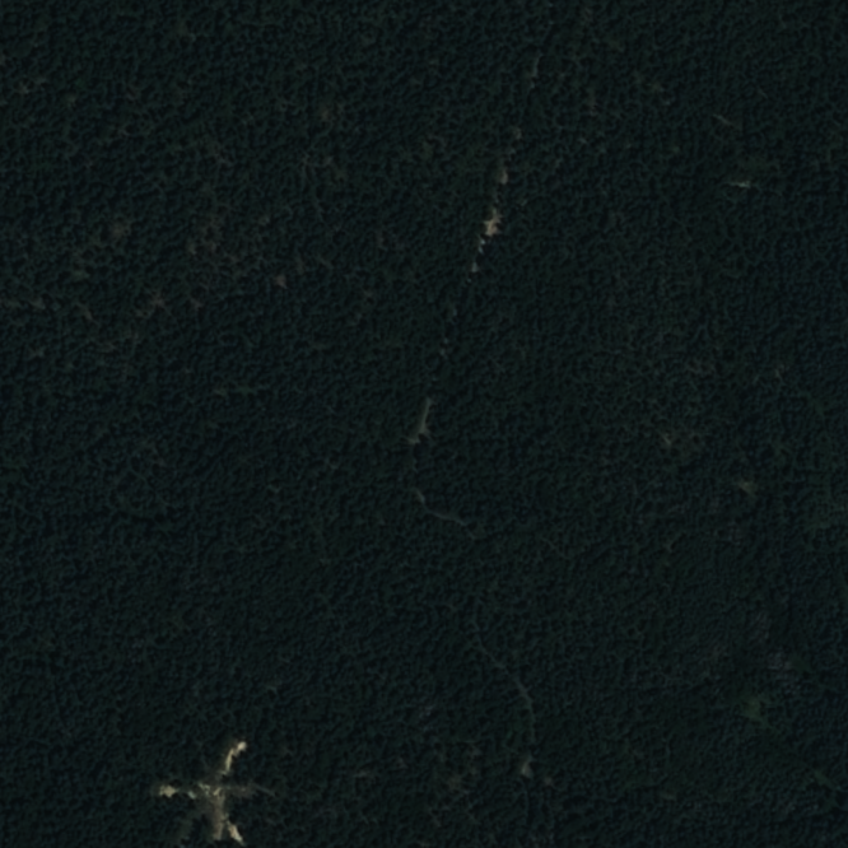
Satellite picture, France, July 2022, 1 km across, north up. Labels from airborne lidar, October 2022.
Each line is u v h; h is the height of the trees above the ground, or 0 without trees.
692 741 22
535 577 19
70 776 19
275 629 23
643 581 23
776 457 33
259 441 26
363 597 20
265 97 8
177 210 21
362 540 11
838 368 26
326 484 6
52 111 20
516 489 13
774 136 24
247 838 25
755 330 29
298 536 21
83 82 17
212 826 22
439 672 27
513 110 25
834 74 15
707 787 11
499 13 20
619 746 18
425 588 24
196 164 23
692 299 12
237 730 17
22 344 17
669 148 19
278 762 23
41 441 29
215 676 28
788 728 16
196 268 16
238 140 11
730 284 25
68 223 24
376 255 17
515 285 19
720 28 17
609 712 19
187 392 23
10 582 27
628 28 14
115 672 24
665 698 16
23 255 29
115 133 6
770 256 31
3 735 6
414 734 20
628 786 22
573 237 17
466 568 21
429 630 21
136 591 12
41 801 19
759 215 26
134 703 11
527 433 25
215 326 19
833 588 18
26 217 15
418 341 16
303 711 15
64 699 26
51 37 6
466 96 21
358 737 19
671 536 15
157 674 7
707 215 11
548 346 25
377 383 14
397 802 15
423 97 23
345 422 23
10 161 13
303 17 22
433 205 21
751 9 18
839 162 7
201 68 23
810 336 23
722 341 10
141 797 13
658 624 16
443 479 19
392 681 20
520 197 27
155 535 32
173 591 14
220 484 25
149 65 21
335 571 13
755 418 12
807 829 27
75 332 17
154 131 8
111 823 18
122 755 20
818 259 30
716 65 21
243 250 20
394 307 15
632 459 17
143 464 27
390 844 21
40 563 30
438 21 29
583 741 17
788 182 13
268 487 21
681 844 26
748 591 14
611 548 22
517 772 18
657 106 22
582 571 14
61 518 20
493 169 19
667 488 21
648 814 23
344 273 13
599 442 15
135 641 26
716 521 24
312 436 24
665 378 16
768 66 15
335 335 12
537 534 19
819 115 22
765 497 16
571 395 9
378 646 26
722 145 15
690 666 21
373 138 19
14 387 16
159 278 10
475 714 12
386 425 11
